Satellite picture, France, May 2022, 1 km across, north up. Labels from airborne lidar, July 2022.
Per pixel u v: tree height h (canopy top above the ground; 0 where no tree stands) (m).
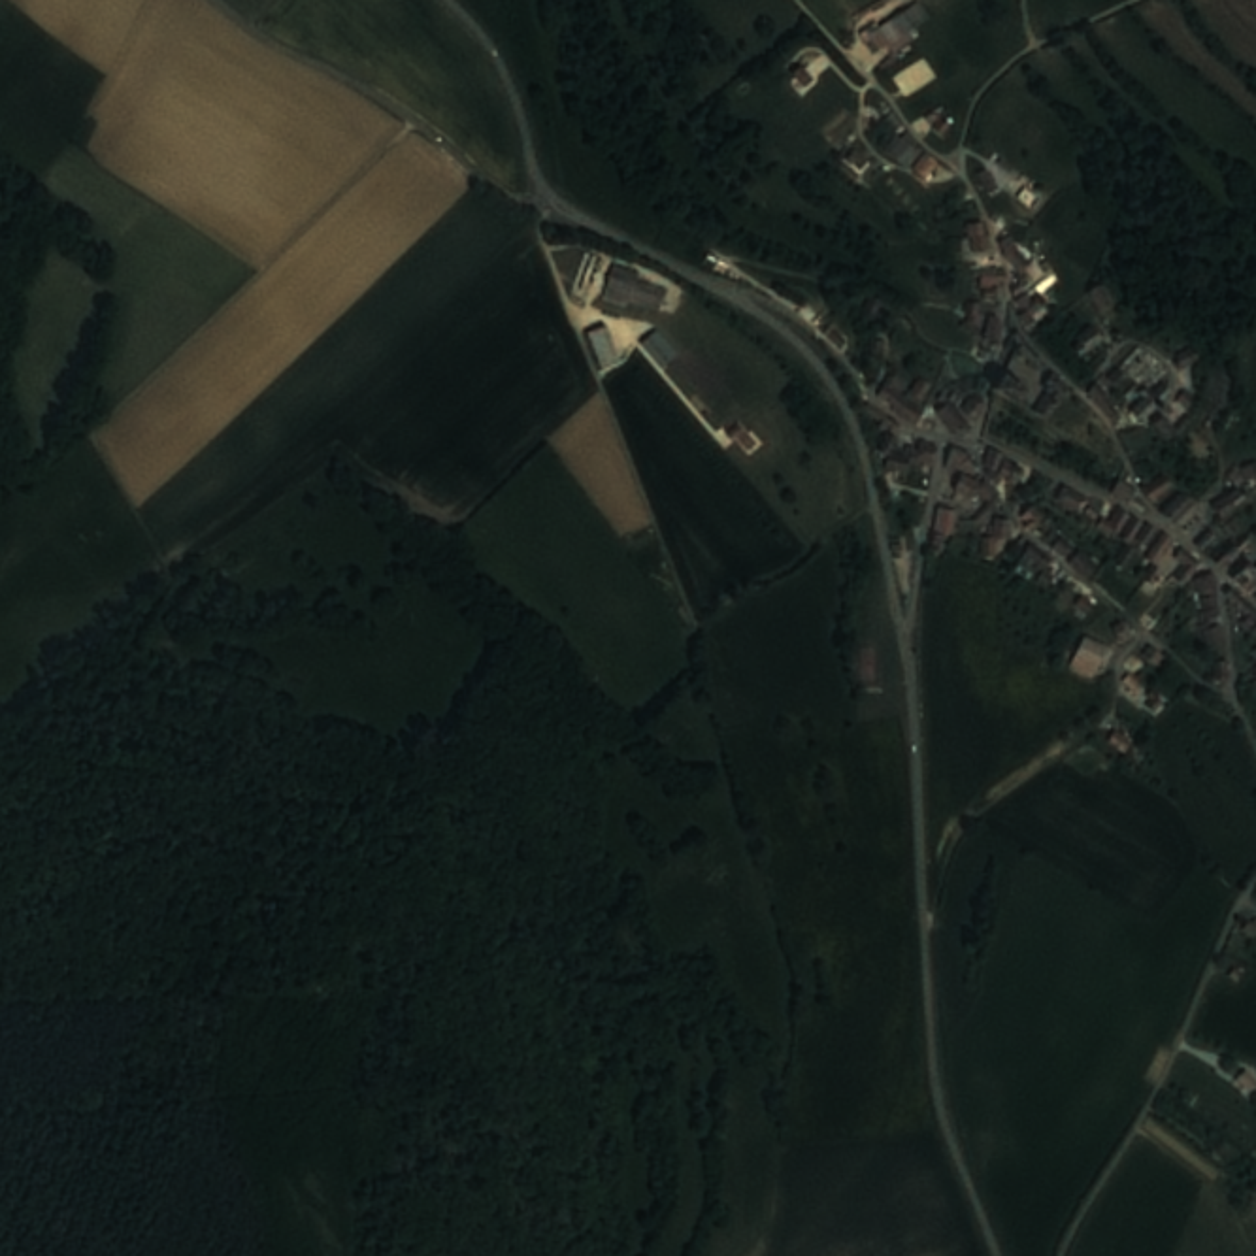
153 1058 15
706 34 12
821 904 0
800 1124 0
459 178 0
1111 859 0
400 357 0
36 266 25
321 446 0
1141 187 13
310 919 21
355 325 0
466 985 18
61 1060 14
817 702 0
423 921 19
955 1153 0
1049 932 0
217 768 23
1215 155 7
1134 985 0
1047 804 0
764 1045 16
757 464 0
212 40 0
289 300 0
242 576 0
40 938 15
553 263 0
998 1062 0
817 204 10
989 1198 0
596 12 23
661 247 0
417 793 18
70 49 0
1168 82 0
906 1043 0
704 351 0
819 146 0
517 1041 19
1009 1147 0
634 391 0
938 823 0
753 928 0
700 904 0
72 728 25
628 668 0
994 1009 0
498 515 0
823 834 0
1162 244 15
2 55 0
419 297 0
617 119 14
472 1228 14
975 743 0
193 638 20
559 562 0
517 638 21
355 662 0
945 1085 0
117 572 0
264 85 0
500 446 0
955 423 0
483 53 0
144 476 0
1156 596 0
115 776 21
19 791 18
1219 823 0
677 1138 13
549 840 21
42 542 0
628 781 0
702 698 13
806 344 0
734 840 0
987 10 15
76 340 0
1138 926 0
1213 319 8
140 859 20
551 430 0
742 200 15
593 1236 17
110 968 16
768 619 0
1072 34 9
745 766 0
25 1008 16
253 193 0
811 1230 0
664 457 0
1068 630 9
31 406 0
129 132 0
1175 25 0
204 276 0
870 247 10
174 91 0
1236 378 13
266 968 14
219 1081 8
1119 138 24
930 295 0
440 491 0
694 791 18
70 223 25
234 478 0
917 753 0
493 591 19
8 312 23
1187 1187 0
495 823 16
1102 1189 0
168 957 18
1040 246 0
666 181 23
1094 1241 0
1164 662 9
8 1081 15
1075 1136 0
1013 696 0
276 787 22
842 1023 0
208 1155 18
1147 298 19
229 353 0
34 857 20
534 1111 18
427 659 0
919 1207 0
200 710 25
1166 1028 0
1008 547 9
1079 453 8
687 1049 14
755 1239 0
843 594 11
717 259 0
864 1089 0
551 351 0
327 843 20
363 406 0
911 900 0
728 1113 14
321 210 0
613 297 0
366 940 18
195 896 16
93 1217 20
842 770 0
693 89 16
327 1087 6
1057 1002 0
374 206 0
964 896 0
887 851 0
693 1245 9
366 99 0
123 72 0
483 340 0
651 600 0
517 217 13
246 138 0
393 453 0
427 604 0
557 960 19
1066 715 0
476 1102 18
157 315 0
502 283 0
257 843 24
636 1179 0
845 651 17
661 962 17
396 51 0
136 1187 22
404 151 0
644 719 18
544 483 0
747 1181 0
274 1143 6
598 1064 14
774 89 0
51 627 0
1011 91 0
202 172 0
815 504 0
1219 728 0
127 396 0
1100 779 0
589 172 0
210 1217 16
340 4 0
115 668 26
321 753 18
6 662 0
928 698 0
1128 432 6
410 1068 19
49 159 0
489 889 21
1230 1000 0
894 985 0
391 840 20
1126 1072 0
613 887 8
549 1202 19
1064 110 14
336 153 0
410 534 19
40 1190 20
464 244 0
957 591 0
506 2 7
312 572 11
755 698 0
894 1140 0
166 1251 17
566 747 17
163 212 0
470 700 18
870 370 11
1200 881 0
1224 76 0
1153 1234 0
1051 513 7
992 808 0
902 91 0
